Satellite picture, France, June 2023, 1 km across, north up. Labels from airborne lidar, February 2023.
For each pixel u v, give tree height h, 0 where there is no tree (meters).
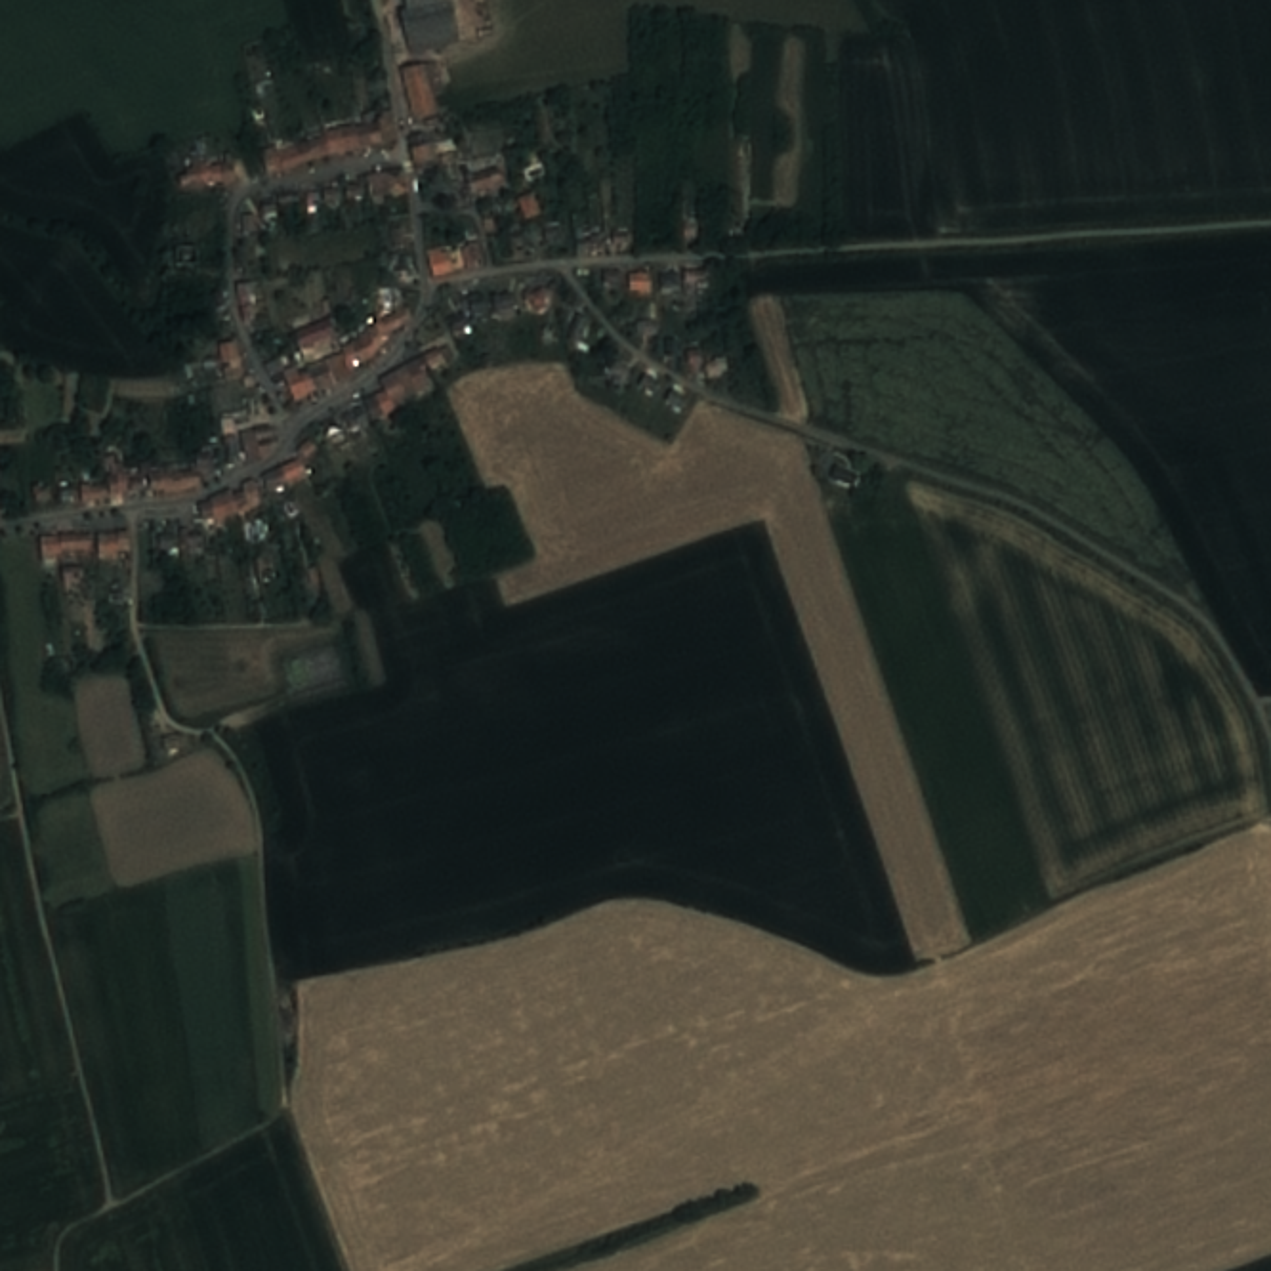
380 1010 0
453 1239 0
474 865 0
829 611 0
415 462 0
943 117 0
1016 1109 0
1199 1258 0
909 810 0
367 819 0
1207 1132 0
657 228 5
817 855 0
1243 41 0
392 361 0
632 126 7
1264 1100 0
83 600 0
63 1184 0
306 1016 0
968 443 0
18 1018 0
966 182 0
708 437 0
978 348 0
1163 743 0
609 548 0
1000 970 0
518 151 7
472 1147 0
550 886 0
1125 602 0
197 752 0
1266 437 0
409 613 0
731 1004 0
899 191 0
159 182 0
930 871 0
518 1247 0
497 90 0
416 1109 0
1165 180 0
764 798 0
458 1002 0
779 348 0
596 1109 0
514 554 6
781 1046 0
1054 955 0
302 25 0
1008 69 0
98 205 0
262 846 0
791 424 0
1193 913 0
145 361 0
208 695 0
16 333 0
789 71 0
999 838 0
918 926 0
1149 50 0
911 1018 0
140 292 0
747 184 0
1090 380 0
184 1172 0
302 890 0
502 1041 0
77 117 0
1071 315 0
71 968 0
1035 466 0
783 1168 0
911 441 0
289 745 0
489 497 7
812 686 0
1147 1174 0
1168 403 0
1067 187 0
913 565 0
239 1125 0
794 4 0
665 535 0
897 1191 0
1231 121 0
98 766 0
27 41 0
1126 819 0
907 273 0
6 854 0
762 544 0
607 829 0
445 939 0
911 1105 0
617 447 0
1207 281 0
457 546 6
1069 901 0
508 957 0
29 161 0
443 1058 0
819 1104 0
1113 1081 0
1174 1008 0
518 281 0
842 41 0
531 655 0
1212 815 0
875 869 0
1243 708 0
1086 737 0
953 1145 0
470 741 0
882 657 0
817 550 0
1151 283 0
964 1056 0
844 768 0
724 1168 0
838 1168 0
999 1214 0
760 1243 0
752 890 0
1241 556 0
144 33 0
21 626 0
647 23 6
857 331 0
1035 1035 0
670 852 0
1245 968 0
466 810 0
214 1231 0
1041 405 0
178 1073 0
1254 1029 0
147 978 0
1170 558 0
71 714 0
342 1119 0
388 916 0
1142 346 0
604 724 0
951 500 0
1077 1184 0
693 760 0
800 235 15
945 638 0
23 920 0
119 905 0
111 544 0
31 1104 0
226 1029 0
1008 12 0
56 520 0
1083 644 0
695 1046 0
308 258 0
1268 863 0
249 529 0
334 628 0
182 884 0
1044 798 0
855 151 0
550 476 0
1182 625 0
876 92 0
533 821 0
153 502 0
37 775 0
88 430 11
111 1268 0
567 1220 0
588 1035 0
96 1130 0
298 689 0
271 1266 0
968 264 0
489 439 0
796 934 0
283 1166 0
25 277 0
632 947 0
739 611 0
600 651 0
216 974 0
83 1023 0
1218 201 0
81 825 0
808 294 0
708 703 0
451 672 0
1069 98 0
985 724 0
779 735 0
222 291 6
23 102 0
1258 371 0
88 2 0
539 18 0
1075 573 0
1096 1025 0
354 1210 0
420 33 0
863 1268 0
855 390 0
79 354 0
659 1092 0
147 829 0
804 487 0
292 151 0
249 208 0
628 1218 0
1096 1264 0
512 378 0
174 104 0
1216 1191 0
